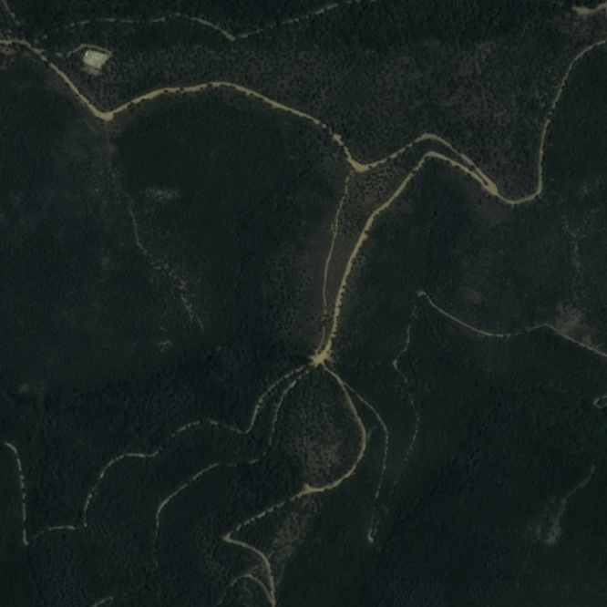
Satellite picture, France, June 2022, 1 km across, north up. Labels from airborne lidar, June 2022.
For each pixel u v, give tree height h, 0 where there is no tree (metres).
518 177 5
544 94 11
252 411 10
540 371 7
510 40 11
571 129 15
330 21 12
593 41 9
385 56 7
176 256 6
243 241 11
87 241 7
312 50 9
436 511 11
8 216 7
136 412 9
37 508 16
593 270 6
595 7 12
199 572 7
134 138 8
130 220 6
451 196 6
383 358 9
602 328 6
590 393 9
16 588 8
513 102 8
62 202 6
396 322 7
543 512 7
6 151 8
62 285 6
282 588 6
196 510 8
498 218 0
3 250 6
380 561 8
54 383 6
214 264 7
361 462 7
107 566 10
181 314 13
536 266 8
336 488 9
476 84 10
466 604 6
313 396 7
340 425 7
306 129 9
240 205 8
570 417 7
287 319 9
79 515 6
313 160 6
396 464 9
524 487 10
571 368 9
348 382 7
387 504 11
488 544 7
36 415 8
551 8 9
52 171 5
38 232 8
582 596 8
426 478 14
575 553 8
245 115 10
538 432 8
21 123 8
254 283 10
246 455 9
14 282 9
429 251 10
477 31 11
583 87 12
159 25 8
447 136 10
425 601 13
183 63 8
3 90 9
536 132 9
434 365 10
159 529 7
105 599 7
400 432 8
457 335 8
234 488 12
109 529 8
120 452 7
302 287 7
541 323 7
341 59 10
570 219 6
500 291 8
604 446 10
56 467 10
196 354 10
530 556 7
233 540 7
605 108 10
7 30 6
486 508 8
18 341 6
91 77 9
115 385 13
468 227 7
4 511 9
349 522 11
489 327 8
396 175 7
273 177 9
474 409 9
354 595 9
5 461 9
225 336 10
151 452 11
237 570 8
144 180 6
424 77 5
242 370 9
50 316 6
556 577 9
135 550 14
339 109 10
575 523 7
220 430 9
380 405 7
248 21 10
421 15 9
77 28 7
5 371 8
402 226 6
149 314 8
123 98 8
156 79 10
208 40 11
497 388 11
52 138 7
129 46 8
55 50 10
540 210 8
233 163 8
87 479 6
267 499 12
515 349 7
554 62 11
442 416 9
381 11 18
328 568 11
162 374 10
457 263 7
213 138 12
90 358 7
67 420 10
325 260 0
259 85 9
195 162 11
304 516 7
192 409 12
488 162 11
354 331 7
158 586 11
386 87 8
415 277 9
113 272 6
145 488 6
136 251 6
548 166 10
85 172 7
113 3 12
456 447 11
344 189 0
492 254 6
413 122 7
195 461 7
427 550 8
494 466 8
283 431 7
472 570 6
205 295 8
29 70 8
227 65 8
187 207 7
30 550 8
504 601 8
